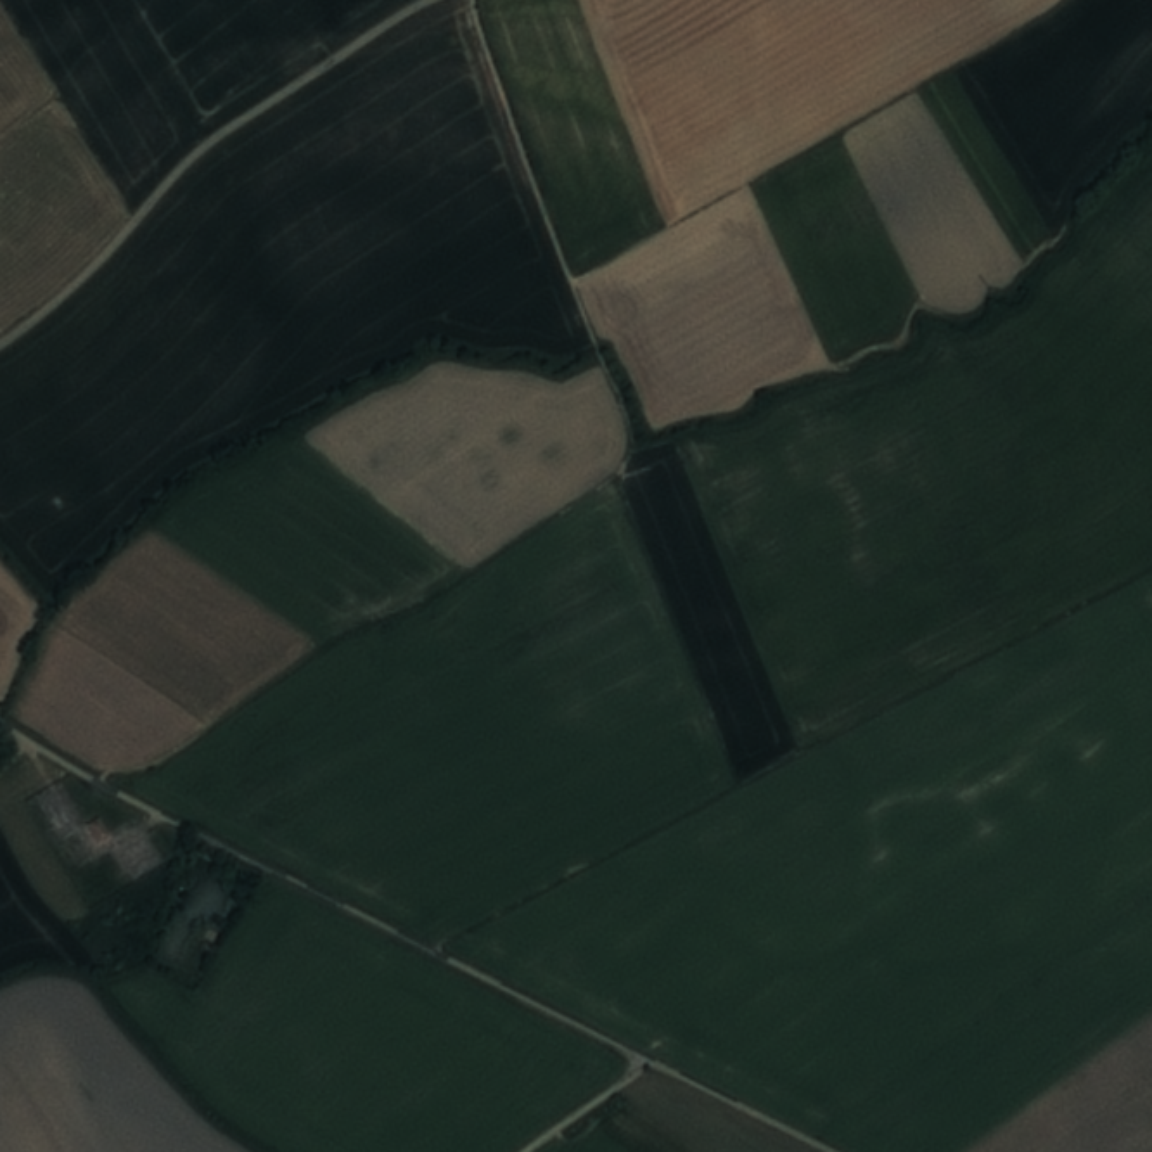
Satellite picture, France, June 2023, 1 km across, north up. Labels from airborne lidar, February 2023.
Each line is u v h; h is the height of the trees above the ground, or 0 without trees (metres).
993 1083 0
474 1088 0
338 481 0
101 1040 0
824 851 0
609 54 0
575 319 0
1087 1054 0
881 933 0
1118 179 11
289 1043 0
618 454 0
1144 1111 0
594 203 0
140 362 0
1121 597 0
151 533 0
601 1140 0
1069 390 0
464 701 0
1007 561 0
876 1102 0
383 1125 0
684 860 0
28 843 0
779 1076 0
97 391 0
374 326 0
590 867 0
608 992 0
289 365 0
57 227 0
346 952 0
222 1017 0
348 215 0
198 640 0
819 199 0
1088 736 0
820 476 0
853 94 0
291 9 0
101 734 0
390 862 0
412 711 0
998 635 0
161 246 0
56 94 0
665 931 0
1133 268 0
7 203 0
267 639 0
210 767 0
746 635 0
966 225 0
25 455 0
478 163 0
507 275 0
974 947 0
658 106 0
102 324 0
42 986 0
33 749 0
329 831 0
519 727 0
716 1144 0
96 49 0
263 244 0
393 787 0
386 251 0
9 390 0
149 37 0
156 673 0
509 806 0
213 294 0
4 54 0
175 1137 0
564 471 0
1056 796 0
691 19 0
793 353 0
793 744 0
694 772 0
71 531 0
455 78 0
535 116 0
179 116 0
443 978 0
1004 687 0
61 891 0
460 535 0
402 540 0
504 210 0
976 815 0
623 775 0
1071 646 0
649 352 0
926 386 0
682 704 0
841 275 0
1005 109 0
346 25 0
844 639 0
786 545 0
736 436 0
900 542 0
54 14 0
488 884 0
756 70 0
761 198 0
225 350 0
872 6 0
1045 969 0
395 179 0
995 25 0
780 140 0
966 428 0
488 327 0
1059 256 0
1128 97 0
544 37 0
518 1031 0
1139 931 0
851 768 0
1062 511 0
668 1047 0
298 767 0
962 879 0
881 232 0
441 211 0
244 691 0
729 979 0
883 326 0
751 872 0
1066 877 0
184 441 0
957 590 0
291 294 0
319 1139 0
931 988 0
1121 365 0
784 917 0
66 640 0
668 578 0
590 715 0
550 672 0
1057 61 0
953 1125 0
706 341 0
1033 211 0
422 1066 0
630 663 0
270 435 11
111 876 0
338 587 0
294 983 0
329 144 0
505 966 0
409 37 0
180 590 0
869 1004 0
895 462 0
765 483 0
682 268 0
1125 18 0
